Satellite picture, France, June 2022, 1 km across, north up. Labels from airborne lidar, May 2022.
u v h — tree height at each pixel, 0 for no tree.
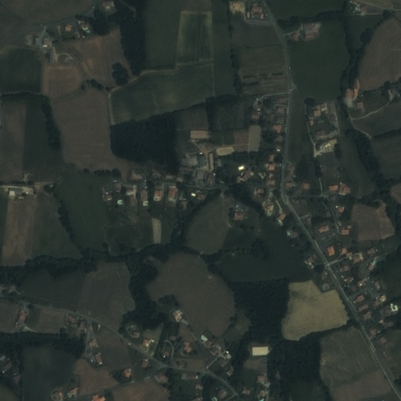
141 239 0
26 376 0
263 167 0
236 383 15
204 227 0
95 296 0
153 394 0
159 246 19
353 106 0
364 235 0
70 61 0
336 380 0
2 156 0
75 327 0
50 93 0
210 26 0
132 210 0
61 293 0
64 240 0
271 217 6
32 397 0
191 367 0
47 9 0
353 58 6
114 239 0
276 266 0
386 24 0
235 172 0
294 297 0
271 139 10
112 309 0
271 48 0
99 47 0
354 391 0
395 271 0
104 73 0
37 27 0
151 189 10
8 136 0
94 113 0
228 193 20
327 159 0
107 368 0
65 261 19
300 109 0
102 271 0
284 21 15
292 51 0
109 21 8
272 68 0
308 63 0
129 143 23
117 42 0
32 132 0
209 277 0
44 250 0
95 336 0
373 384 0
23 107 0
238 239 0
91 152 0
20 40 0
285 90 0
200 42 0
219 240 0
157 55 0
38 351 0
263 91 0
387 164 0
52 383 0
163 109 0
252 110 9
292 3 0
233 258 0
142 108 0
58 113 0
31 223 0
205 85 0
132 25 23
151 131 23
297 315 0
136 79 0
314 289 0
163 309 0
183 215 7
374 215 0
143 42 19
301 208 0
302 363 21
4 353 13
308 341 22
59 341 21
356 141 9
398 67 0
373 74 0
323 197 6
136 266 27
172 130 16
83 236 0
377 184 11
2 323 0
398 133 12
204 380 11
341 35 0
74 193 0
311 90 0
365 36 19
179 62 0
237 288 18
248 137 0
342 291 0
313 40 0
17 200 0
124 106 0
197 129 0
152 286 0
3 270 17
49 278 0
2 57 0
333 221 7
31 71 0
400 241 0
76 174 0
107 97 0
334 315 0
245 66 0
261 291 25
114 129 18
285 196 0
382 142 0
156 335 0
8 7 0
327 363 0
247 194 12
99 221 0
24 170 0
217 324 0
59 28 0
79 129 0
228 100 20
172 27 0
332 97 0
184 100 0
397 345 0
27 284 0
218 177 12
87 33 8
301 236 11
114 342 0
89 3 0
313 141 0
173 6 0
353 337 0
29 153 0
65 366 0
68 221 15
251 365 0
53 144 14
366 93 9
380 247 0
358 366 0
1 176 0
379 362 0
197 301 0
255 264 0
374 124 0
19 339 29
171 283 0
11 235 0
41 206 0
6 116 0
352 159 0
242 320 0
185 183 6
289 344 24
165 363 8
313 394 0
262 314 25
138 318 23
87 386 0
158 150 26
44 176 0
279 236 0
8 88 0
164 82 0
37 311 0
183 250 12
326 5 0
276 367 20
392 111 0
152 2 0
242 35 0
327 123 0
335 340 0
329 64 0
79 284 0
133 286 15
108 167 0
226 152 0
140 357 0
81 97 0
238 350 6
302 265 0
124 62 0
